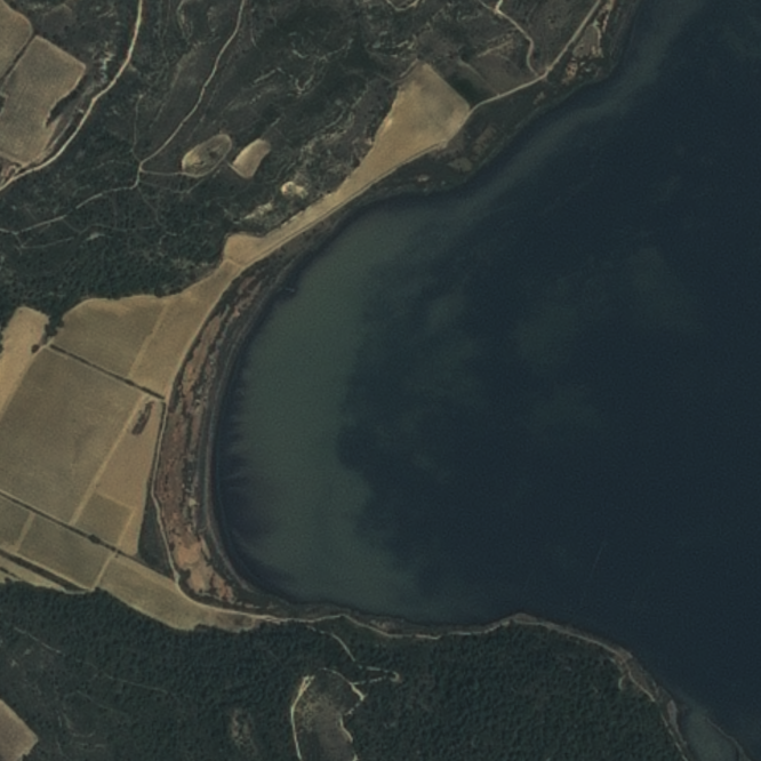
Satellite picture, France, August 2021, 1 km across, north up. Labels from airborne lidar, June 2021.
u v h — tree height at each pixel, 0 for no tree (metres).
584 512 0
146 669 10
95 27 0
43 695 0
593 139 0
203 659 10
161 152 0
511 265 0
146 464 0
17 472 0
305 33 0
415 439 0
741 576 0
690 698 0
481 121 0
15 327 0
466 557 0
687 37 0
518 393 0
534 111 0
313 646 10
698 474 0
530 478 0
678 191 0
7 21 0
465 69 0
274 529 0
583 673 8
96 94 0
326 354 0
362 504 0
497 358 0
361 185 0
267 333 0
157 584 0
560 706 12
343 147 0
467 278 0
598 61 0
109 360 0
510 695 9
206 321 0
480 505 0
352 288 0
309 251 0
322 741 0
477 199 0
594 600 0
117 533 0
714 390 0
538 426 0
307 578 0
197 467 0
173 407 0
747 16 0
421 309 0
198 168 0
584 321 0
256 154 0
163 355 0
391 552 0
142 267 11
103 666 6
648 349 0
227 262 0
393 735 8
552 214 0
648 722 11
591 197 0
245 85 0
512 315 0
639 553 0
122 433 0
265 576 0
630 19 0
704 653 0
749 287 0
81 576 0
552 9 0
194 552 0
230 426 0
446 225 0
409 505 0
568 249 0
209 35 0
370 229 0
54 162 0
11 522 0
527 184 0
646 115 0
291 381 0
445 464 0
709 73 0
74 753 0
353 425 0
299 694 0
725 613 0
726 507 0
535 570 0
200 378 0
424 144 0
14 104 0
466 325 0
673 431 0
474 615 0
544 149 0
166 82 0
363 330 0
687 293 0
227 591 0
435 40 0
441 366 0
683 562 0
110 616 10
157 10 0
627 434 0
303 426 0
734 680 0
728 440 0
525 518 0
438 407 0
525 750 13
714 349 0
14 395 0
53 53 0
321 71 0
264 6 0
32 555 0
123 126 0
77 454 0
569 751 9
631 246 0
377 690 8
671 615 0
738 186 0
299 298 0
